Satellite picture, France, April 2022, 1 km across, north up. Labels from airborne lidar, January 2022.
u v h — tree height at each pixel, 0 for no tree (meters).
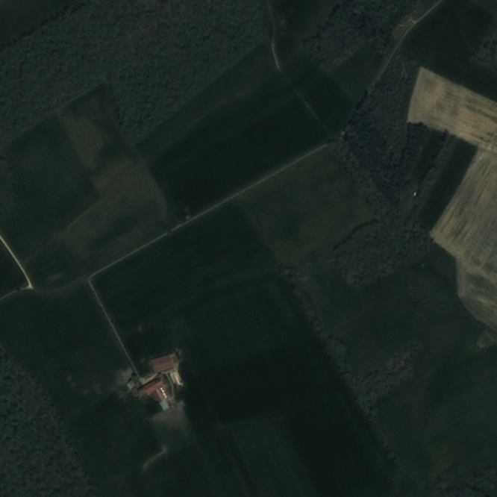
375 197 14
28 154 0
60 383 0
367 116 18
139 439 0
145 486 0
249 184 0
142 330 0
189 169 0
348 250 19
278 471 0
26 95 23
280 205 0
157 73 24
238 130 0
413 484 0
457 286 0
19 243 0
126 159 0
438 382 0
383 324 0
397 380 19
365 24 25
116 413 0
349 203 0
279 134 0
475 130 0
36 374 0
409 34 0
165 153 0
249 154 0
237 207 0
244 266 0
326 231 0
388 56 8
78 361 0
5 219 0
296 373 0
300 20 0
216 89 0
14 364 23
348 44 24
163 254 0
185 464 0
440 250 0
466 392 0
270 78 0
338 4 0
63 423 9
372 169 19
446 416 0
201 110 0
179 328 0
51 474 24
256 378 0
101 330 0
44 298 0
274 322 0
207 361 0
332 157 0
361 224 0
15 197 0
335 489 0
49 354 0
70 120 0
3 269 0
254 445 0
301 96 0
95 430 0
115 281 0
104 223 0
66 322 0
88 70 23
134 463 0
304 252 0
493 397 0
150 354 0
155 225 0
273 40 0
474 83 0
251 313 0
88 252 0
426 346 0
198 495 0
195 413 0
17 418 24
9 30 0
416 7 19
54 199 0
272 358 0
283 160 0
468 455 0
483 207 0
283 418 0
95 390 0
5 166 18
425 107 0
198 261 0
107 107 0
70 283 0
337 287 0
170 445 0
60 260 0
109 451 0
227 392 0
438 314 0
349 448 0
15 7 0
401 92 8
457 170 0
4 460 23
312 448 0
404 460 0
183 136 0
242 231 0
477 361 0
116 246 0
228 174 0
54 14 0
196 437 0
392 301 0
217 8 23
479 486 14
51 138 0
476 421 0
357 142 17
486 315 0
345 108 0
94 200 0
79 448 0
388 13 22
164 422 0
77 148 0
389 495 0
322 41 23
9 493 22
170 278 0
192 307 0
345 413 0
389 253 21
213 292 0
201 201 0
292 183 0
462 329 0
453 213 0
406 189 20
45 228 0
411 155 17
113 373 0
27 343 0
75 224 0
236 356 0
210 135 0
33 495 22
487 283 0
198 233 0
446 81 0
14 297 0
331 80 0
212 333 0
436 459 0
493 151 0
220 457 0
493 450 0
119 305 0
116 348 0
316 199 0
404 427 0
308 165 0
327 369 0
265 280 0
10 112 21
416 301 0
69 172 0
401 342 0
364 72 0
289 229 0
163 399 0
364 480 0
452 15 0
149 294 0
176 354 0
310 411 0
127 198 0
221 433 0
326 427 0
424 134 20
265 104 0
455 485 0
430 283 0
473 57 10
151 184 0
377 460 0
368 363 0
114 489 0
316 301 0
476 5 0
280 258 0
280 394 0
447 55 0
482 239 0
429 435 0
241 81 0
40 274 0
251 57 0
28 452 21
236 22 23
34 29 0
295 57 0
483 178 0
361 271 17
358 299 0
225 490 0
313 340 0
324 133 0
